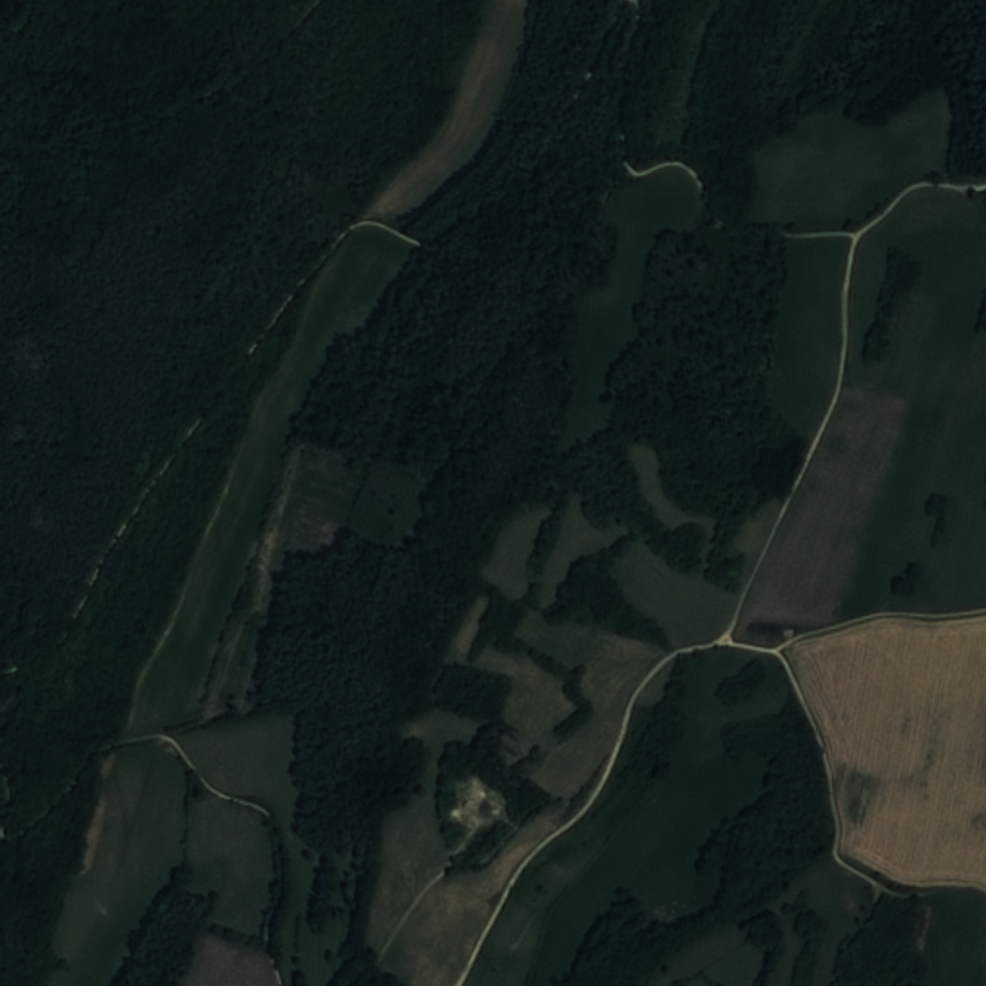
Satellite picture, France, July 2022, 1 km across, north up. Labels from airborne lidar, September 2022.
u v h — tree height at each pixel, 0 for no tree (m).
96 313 16
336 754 14
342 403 22
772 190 0
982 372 0
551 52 14
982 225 0
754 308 14
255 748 0
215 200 13
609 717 0
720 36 16
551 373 15
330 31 17
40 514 20
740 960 0
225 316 19
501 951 0
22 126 13
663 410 20
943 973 0
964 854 0
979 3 32
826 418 0
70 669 8
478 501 17
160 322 20
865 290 0
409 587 23
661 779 13
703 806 0
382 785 19
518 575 0
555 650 0
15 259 13
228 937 13
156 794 0
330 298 0
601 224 14
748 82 19
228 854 0
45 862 15
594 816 7
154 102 14
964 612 0
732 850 21
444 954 0
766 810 19
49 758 18
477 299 24
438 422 21
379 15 11
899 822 0
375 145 18
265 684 26
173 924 21
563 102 12
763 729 8
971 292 0
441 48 19
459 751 18
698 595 0
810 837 14
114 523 9
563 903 0
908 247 0
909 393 0
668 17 19
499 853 6
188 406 9
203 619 0
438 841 0
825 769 13
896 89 20
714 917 16
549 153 13
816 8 8
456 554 17
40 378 17
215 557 0
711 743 0
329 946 0
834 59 9
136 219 16
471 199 23
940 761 0
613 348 0
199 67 13
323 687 27
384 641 20
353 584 25
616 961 14
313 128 14
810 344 0
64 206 15
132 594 12
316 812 13
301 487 0
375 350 18
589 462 18
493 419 16
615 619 18
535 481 19
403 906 0
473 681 12
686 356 18
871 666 0
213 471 16
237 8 9
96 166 15
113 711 21
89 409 19
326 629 26
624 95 14
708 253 20
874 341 14
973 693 0
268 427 0
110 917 0
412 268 13
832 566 0
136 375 17
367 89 11
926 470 0
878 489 0
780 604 0
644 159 13
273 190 13
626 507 14
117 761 0
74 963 0
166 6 11
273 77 17
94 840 0
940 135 0
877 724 0
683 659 11
